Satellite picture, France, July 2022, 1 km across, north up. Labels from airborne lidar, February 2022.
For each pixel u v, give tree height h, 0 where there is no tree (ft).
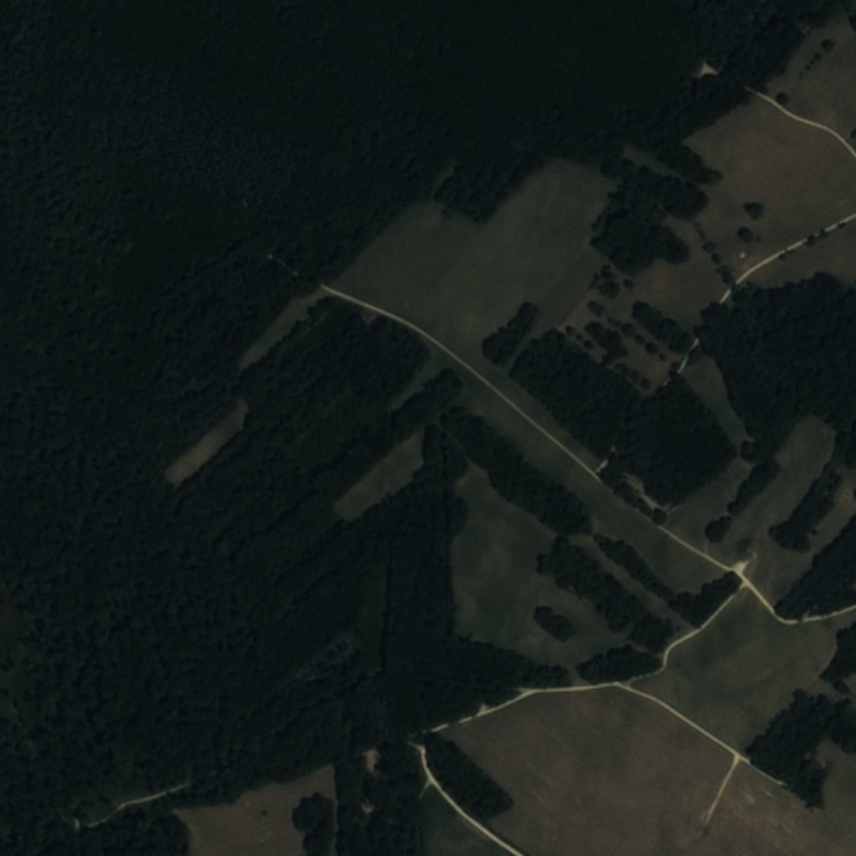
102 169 30
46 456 57
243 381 63
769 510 0
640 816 0
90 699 90
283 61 47
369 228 29
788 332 74
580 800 0
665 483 60
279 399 74
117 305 26
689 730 0
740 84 50
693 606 33
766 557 0
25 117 58
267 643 83
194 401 66
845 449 46
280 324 0
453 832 0
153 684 63
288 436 27
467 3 30
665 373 0
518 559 0
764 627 0
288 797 0
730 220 0
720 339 77
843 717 31
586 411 82
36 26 59
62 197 40
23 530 75
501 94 56
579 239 0
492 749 0
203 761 66
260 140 72
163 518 71
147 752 72
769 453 41
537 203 0
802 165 0
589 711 0
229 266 72
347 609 75
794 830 0
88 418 47
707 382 0
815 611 56
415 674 61
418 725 62
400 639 80
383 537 92
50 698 90
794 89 0
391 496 54
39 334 41
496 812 34
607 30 51
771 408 64
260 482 61
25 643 83
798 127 0
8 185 62
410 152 85
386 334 64
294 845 0
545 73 57
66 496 81
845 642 57
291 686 49
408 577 71
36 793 86
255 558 69
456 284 0
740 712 0
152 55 36
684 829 0
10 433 72
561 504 57
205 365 40
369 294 0
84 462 70
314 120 56
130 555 66
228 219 59
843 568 57
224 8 61
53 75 53
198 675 68
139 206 32
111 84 43
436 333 0
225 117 67
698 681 0
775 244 0
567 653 0
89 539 80
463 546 0
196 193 29
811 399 55
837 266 0
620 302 0
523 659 47
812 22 76
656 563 0
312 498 76
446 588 22
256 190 69
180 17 50
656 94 45
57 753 57
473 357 0
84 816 70
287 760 62
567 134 54
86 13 45
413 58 54
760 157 0
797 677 0
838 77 0
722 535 37
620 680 45
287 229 72
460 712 79
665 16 34
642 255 63
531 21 48
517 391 0
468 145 67
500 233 0
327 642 69
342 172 73
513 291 0
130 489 54
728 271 33
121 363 38
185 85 54
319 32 76
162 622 64
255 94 55
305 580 73
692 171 34
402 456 0
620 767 0
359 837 74
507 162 65
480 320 0
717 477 43
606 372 47
